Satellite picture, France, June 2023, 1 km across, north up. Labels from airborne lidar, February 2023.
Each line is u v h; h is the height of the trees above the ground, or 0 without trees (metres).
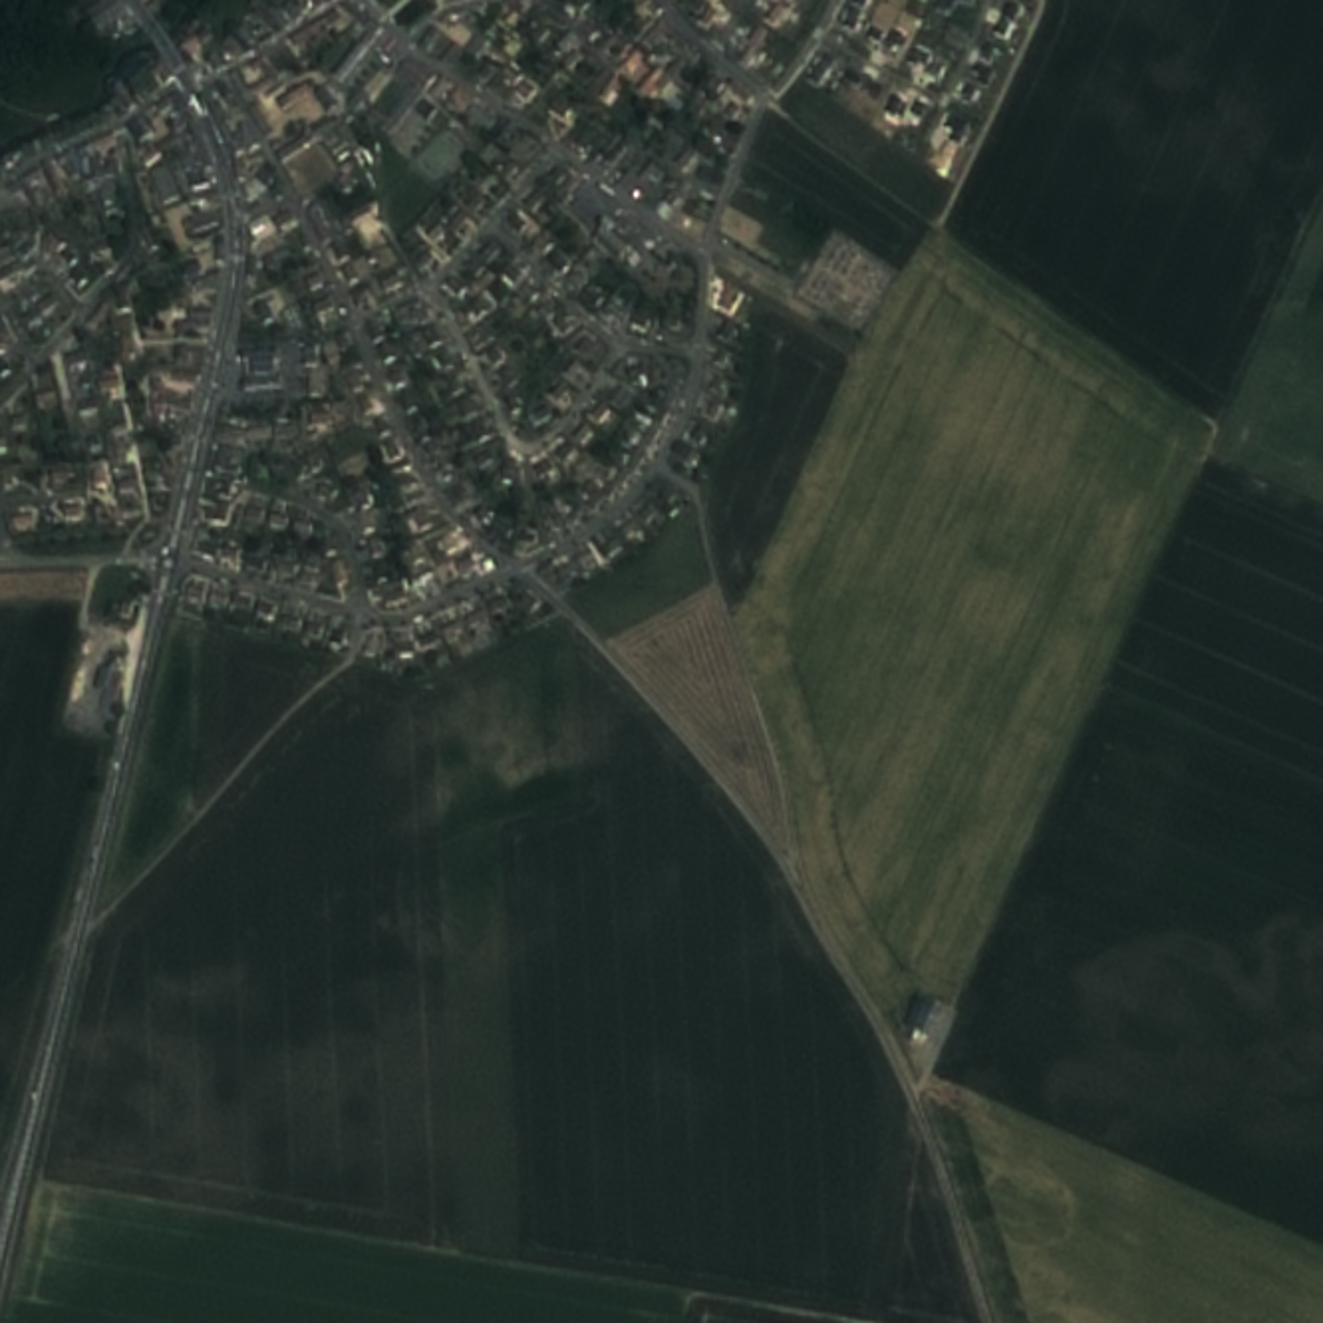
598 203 0
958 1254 0
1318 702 0
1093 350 0
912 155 0
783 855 0
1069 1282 0
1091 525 0
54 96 0
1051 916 0
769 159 0
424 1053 0
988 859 0
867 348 0
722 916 0
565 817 0
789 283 0
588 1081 0
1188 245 0
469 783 0
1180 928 0
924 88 0
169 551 0
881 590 0
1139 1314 0
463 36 0
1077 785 0
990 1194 0
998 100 0
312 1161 0
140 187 0
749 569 0
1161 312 0
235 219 0
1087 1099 0
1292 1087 0
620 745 0
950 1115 0
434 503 0
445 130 0
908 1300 0
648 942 0
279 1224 0
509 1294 0
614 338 0
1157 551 0
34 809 0
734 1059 0
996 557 0
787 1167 0
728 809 0
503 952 0
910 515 0
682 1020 0
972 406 0
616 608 0
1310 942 0
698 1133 0
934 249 0
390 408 0
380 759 0
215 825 0
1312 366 0
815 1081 0
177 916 0
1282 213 0
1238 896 0
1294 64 0
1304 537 0
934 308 0
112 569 0
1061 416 0
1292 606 0
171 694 0
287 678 0
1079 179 0
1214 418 0
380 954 0
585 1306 0
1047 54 0
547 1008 0
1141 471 0
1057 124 0
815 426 0
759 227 0
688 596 0
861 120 0
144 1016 0
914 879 0
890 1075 0
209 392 0
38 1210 0
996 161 0
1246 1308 0
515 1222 0
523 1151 0
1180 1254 0
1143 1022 0
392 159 0
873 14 0
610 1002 0
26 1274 0
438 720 0
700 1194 0
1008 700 0
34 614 0
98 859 0
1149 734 0
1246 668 0
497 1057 0
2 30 14
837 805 0
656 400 6
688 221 0
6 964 0
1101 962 0
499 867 0
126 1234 0
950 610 0
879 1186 0
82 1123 0
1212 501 0
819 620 0
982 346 0
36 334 0
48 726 0
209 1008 0
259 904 0
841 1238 0
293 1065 0
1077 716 0
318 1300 0
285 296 0
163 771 0
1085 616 0
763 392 0
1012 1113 0
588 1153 0
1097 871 0
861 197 0
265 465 12
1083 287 0
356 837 0
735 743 0
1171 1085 0
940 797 0
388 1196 0
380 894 0
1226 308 0
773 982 0
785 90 0
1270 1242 0
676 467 7
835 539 0
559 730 0
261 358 0
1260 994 0
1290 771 0
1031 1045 0
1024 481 0
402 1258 0
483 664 0
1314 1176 0
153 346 0
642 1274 0
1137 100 0
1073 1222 0
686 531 0
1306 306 0
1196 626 0
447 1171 0
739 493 0
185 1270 0
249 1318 0
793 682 0
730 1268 0
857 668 0
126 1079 0
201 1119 0
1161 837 0
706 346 0
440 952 0
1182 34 0
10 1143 0
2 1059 0
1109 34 0
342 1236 0
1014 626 0
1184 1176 0
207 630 0
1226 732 0
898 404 0
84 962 0
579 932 0
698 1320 0
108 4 0
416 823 0
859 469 0
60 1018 0
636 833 0
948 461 0
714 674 0
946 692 0
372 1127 0
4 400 0
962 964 0
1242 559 0
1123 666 0
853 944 0
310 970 0
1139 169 0
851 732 0
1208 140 0
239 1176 0
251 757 0
